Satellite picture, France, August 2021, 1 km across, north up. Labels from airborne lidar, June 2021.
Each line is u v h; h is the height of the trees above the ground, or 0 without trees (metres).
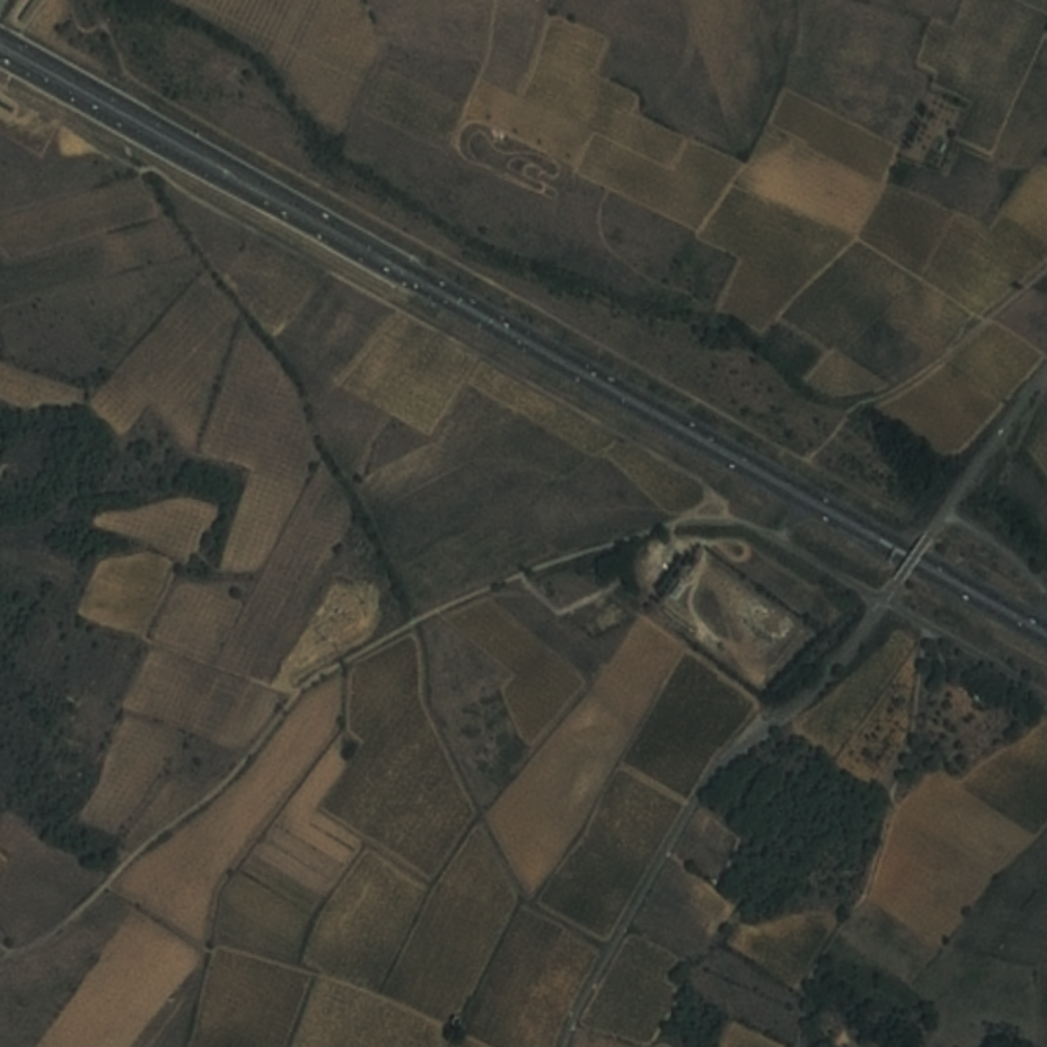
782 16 0
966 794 0
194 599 0
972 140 0
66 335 0
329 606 0
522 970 0
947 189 0
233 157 0
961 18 0
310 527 0
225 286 11
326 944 0
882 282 0
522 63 0
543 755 0
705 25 0
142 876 0
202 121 0
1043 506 0
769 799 9
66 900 0
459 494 0
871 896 0
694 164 0
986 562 0
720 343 6
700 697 0
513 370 0
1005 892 0
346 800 0
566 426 0
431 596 0
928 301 0
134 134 0
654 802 0
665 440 0
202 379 0
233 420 0
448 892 0
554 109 0
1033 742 0
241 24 0
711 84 0
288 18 0
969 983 0
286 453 0
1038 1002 0
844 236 0
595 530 0
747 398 0
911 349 0
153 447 6
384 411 0
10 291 0
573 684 0
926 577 0
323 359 0
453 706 0
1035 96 0
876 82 0
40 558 0
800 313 0
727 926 7
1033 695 7
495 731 0
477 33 0
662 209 0
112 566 0
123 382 0
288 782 0
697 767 0
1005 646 0
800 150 0
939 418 0
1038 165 0
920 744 8
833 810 8
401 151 0
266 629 0
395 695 0
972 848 0
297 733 0
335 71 0
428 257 0
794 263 0
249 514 0
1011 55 0
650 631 0
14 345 0
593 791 0
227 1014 0
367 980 0
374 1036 0
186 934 0
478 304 0
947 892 0
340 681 0
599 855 0
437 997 0
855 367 0
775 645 0
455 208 0
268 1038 0
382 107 0
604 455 0
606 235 0
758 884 9
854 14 0
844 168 0
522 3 0
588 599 0
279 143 0
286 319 0
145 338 0
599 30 0
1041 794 0
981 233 0
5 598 7
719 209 0
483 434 0
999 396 0
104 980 0
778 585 0
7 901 0
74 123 0
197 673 0
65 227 0
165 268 0
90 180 0
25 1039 0
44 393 0
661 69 0
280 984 0
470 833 0
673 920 0
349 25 0
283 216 0
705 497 0
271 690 0
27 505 10
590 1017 0
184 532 0
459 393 0
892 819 0
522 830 0
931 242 0
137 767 0
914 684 0
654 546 0
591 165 0
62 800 6
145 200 0
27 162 0
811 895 10
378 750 0
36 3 0
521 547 0
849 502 0
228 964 0
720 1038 12
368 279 0
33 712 9
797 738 7
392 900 0
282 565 0
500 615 0
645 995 0
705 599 0
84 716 0
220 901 0
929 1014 9
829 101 0
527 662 0
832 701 0
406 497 0
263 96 0
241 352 0
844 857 6
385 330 0
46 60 0
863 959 0
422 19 0
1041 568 11
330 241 0
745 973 0
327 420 0
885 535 0
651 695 0
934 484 13
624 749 0
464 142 0
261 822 0
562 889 0
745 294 0
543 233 0
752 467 0
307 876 0
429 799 0
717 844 0
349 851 0
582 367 0
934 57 0
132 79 0
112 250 0
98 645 7
